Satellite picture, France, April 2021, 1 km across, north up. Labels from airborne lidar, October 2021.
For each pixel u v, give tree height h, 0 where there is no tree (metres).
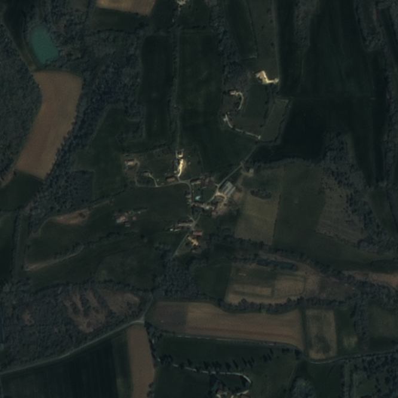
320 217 0
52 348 12
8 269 0
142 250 0
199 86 0
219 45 8
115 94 18
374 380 7
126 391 0
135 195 0
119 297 0
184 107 0
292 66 0
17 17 0
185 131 0
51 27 19
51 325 6
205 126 0
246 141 0
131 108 16
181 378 0
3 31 22
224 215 0
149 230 0
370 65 0
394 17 23
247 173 0
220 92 0
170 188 0
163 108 0
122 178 0
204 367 0
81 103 16
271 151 0
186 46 0
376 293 19
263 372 0
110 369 0
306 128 0
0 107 22
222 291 0
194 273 9
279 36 0
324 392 0
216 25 13
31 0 0
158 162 0
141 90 0
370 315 0
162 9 0
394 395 19
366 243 17
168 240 0
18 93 21
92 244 13
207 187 11
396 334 0
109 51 20
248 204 0
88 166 0
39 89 17
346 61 0
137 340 0
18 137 15
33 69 0
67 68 10
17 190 0
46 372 0
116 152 0
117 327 12
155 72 0
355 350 0
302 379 8
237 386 0
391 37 0
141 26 0
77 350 0
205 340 0
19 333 14
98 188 0
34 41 0
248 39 0
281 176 0
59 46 6
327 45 0
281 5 0
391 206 14
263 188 0
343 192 0
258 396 0
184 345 0
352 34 0
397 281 0
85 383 0
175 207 0
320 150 0
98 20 0
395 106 7
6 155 7
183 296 17
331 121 0
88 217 0
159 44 0
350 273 0
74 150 12
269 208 0
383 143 8
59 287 14
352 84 0
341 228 0
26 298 21
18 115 20
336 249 0
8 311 7
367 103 0
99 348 0
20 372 0
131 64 23
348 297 0
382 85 0
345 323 0
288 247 0
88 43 22
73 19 12
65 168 8
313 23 0
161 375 0
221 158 0
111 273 0
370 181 0
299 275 0
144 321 0
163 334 17
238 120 0
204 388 0
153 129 0
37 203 18
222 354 0
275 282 0
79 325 0
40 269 0
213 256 0
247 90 15
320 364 0
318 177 0
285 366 0
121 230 0
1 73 25
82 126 12
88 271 0
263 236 0
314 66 0
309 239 0
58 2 13
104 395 0
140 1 0
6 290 30
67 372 0
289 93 0
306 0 16
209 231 0
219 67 0
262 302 0
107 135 0
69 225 0
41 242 0
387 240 16
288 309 15
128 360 0
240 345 0
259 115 0
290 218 0
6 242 0
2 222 0
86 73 18
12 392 0
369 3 0
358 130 0
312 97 0
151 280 0
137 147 0
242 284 0
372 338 0
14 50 11
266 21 0
